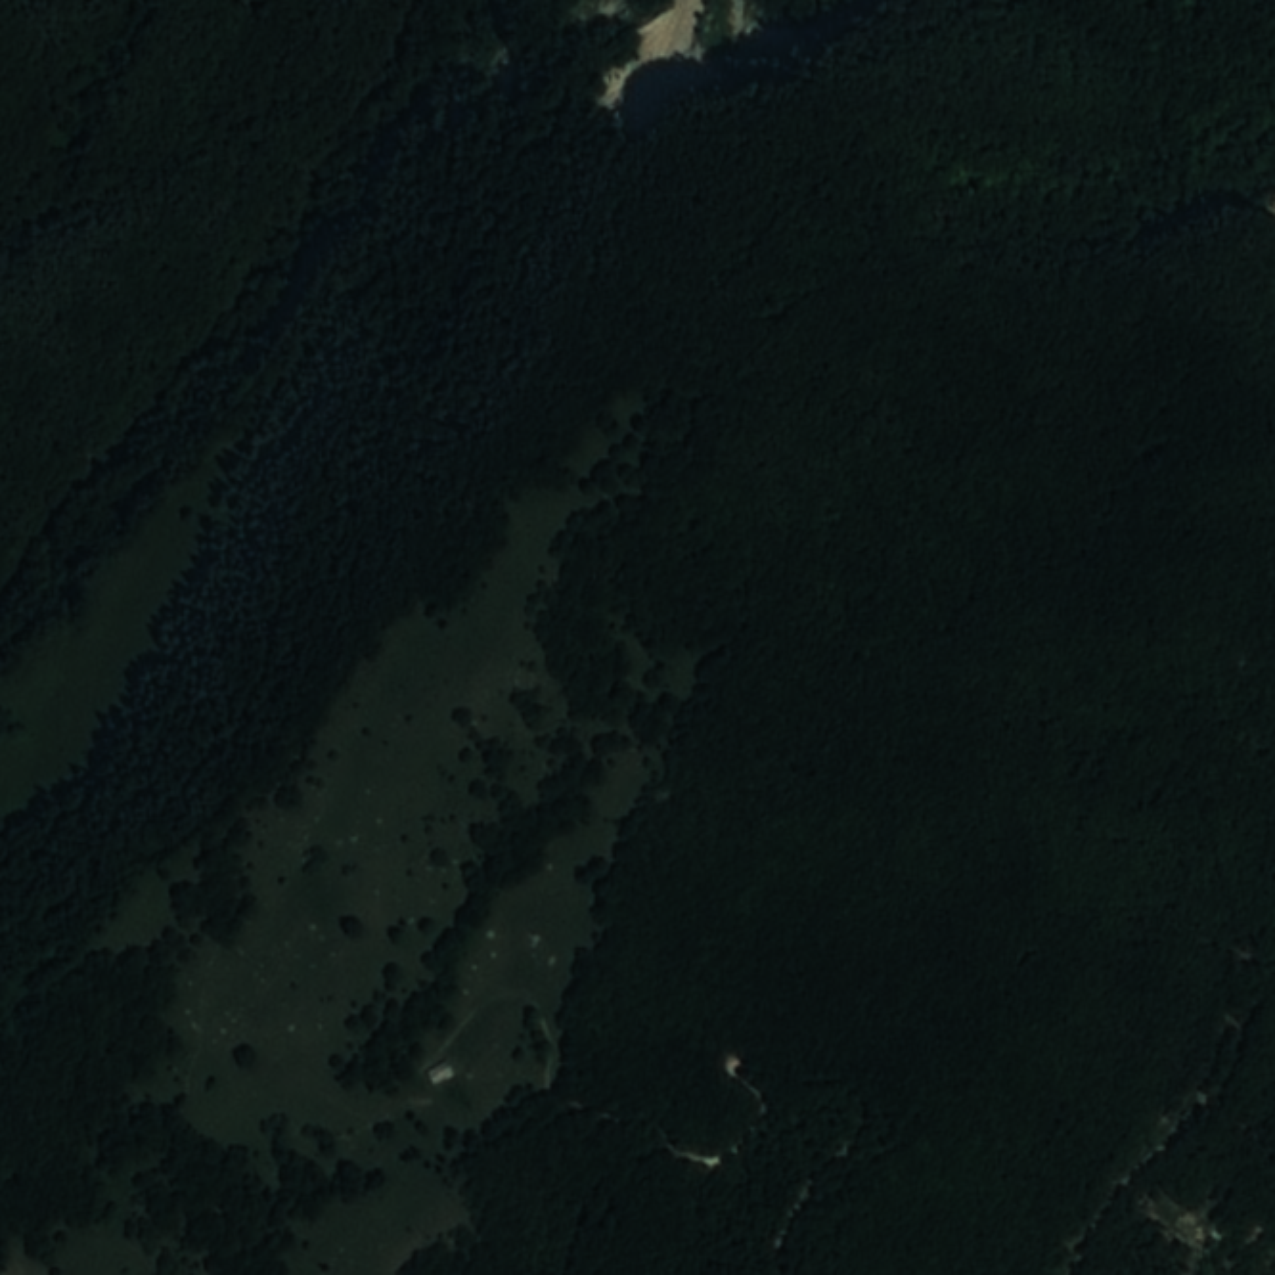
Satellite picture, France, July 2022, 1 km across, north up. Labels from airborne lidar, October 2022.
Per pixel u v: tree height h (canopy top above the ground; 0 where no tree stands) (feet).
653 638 50
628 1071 81
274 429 77
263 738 58
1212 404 51
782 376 59
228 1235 54
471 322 95
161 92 80
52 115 72
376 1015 28
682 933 65
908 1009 81
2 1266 24
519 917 0
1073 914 64
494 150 105
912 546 61
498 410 70
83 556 43
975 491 49
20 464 67
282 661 78
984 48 65
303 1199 34
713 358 62
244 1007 0
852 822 68
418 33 75
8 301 81
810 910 83
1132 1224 54
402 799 0
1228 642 47
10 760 0
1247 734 63
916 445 65
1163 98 71
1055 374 66
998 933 93
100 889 63
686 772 42
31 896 95
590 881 41
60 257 71
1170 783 79
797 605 73
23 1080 53
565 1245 51
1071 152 87
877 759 83
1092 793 93
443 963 51
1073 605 70
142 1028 55
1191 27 72
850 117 77
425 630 0
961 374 69
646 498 31
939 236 55
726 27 0
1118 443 76
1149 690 71
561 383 62
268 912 0
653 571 76
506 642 0
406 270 49
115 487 84
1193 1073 78
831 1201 71
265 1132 30
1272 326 56
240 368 69
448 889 24
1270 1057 57
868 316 54
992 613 61
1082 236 76
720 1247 66
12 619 75
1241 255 51
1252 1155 80
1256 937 80
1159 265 51
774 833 56
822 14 52
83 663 0
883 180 80
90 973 46
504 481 62
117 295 76
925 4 71
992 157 88
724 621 72
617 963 43
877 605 61
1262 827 69
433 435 101
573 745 44
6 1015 43
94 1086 61
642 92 0
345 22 86
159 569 0
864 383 56
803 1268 76
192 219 70
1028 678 49
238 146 55
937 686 70
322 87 77
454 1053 0
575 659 61
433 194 62
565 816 51
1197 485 55
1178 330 53
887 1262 69
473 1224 19
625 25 27
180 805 58
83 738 0
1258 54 72
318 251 67
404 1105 0
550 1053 50
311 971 0
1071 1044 54
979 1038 71
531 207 92
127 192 76
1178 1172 67
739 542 66
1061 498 66
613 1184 73
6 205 93
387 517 80
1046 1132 67
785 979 75
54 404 77
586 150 81
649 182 70
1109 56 78
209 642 66
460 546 50
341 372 77
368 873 0
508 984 0
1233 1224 77
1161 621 52
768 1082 67
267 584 74
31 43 67
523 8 51
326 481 68
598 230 66
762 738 77
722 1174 39
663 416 51
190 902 42
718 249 70
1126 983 78
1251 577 63
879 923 61
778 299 67
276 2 88
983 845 73
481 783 28
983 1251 65
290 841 0
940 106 62
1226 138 78
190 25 73
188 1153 66
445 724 0
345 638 78
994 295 80
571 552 54
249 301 94
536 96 80
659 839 43
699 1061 79
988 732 68
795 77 60
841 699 87
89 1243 0
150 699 70
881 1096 77
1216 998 62
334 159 84
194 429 73
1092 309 51
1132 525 67
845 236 59
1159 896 68
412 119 89
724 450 52
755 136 79
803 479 71
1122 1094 79
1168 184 111
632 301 71
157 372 107
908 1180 59
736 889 55
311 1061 0
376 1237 0
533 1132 42
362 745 0
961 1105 68
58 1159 69
